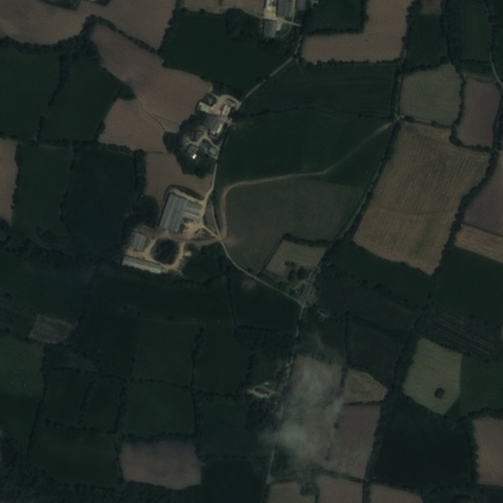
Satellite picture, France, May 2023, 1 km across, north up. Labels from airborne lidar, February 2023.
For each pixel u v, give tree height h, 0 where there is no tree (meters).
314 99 0
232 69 0
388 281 0
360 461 0
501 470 0
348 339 8
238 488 0
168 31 13
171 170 0
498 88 7
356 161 0
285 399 10
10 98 0
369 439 0
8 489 13
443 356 0
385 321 0
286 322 0
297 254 0
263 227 0
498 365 0
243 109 0
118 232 0
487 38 0
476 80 7
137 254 0
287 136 0
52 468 0
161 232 0
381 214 0
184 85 0
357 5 0
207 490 0
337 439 0
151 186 0
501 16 0
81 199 0
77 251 0
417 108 0
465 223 0
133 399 0
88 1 0
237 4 0
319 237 0
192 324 0
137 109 0
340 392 6
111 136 0
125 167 0
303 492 8
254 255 0
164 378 0
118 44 0
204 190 0
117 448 14
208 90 0
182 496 10
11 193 0
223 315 0
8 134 0
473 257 0
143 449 0
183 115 0
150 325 0
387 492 0
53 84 0
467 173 0
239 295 0
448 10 13
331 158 0
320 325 0
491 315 0
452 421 12
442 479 0
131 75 0
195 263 0
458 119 7
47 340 0
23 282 0
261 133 0
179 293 0
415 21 9
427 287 0
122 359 0
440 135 0
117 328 0
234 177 0
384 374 0
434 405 0
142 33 0
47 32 0
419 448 0
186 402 0
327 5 0
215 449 0
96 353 0
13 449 18
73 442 0
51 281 0
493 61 12
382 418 9
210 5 0
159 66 0
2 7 0
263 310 0
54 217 0
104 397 0
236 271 14
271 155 0
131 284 0
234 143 0
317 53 0
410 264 0
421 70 10
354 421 0
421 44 0
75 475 0
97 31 0
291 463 0
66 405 0
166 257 12
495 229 0
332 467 0
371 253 0
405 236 0
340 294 0
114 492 18
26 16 0
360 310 0
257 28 0
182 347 0
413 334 11
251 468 0
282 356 16
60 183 0
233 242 0
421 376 0
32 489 13
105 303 0
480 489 7
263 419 13
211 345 0
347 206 0
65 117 0
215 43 0
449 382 0
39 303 0
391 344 0
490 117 0
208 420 0
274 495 0
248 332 24
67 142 13
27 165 0
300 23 0
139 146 0
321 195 0
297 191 0
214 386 0
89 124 0
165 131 0
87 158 0
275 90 0
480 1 14
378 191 0
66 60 22
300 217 0
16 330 0
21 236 0
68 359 0
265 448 0
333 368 0
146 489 17
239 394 8
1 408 0
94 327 0
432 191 0
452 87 0
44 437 0
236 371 0
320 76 0
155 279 12
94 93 0
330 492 0
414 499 0
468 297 0
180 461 0
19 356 0
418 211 0
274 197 0
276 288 14
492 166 10
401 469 0
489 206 0
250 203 0
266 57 0
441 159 0
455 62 14
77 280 0
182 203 0
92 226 0
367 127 0
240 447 0
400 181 0
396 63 12
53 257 23
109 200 0
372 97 0
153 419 0
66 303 0
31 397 0
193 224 0
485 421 0
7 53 0
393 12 0
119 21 0
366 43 0
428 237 0
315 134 0
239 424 0
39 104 0
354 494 0
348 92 0
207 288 15
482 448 0
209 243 0
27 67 0
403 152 0
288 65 0
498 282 0
